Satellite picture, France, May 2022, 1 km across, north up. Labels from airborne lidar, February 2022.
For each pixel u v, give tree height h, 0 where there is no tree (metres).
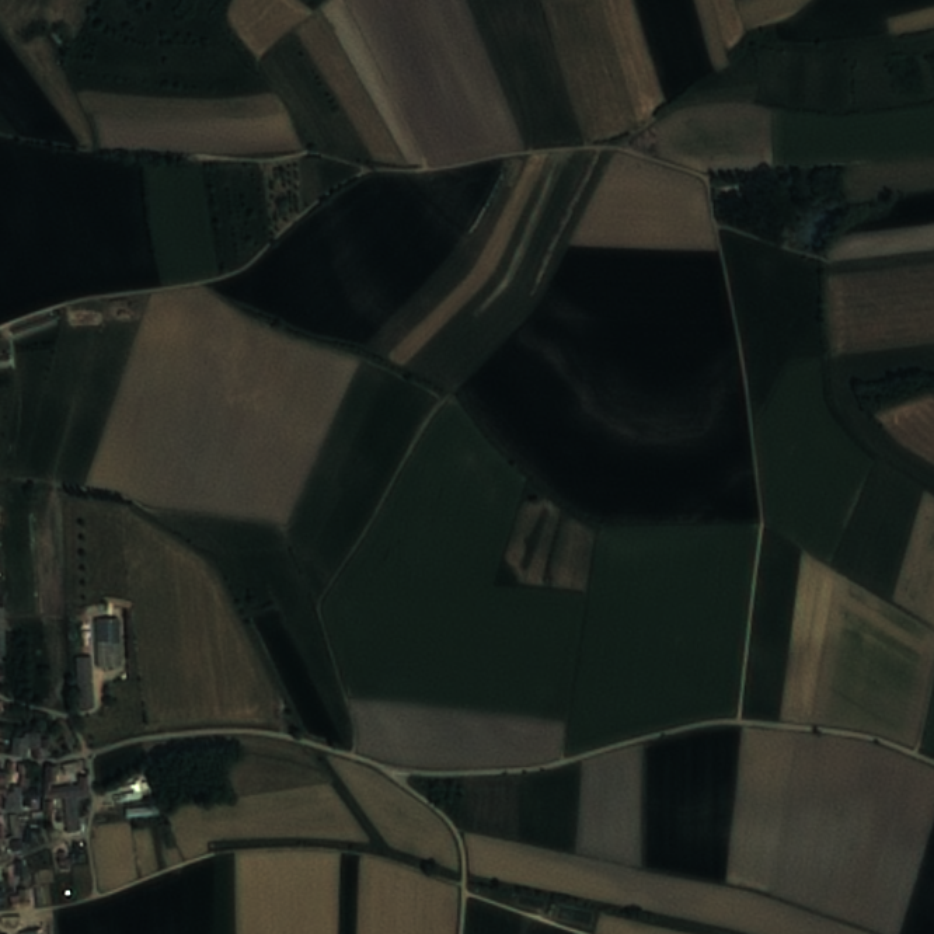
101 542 0
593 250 0
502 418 0
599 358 0
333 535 0
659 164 0
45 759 0
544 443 0
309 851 0
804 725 0
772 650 0
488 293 0
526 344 0
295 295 0
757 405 0
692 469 0
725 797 0
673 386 0
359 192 0
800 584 0
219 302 0
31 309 0
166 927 0
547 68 0
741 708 0
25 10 0
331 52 0
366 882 0
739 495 0
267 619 0
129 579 0
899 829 0
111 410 0
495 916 0
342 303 0
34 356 0
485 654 0
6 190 0
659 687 0
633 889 0
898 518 0
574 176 0
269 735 0
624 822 0
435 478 0
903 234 0
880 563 0
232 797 15
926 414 0
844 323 0
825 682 0
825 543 0
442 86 0
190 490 0
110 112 0
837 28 0
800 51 0
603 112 0
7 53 0
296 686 0
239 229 0
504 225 0
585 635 0
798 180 23
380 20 0
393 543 0
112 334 0
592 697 0
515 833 0
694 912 0
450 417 0
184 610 0
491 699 0
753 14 0
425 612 0
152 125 0
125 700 0
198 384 0
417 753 0
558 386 0
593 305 0
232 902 0
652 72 0
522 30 0
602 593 0
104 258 0
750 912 0
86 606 0
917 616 0
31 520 0
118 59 0
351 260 0
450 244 0
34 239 0
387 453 0
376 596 0
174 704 0
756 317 0
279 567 0
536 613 0
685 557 0
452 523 0
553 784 0
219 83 0
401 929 0
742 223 11
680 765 0
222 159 0
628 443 0
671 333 0
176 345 0
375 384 0
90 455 0
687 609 0
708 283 0
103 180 0
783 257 0
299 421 0
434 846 0
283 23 0
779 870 0
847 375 0
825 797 0
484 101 0
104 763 0
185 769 24
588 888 0
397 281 0
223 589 0
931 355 0
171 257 0
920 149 0
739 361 0
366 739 0
